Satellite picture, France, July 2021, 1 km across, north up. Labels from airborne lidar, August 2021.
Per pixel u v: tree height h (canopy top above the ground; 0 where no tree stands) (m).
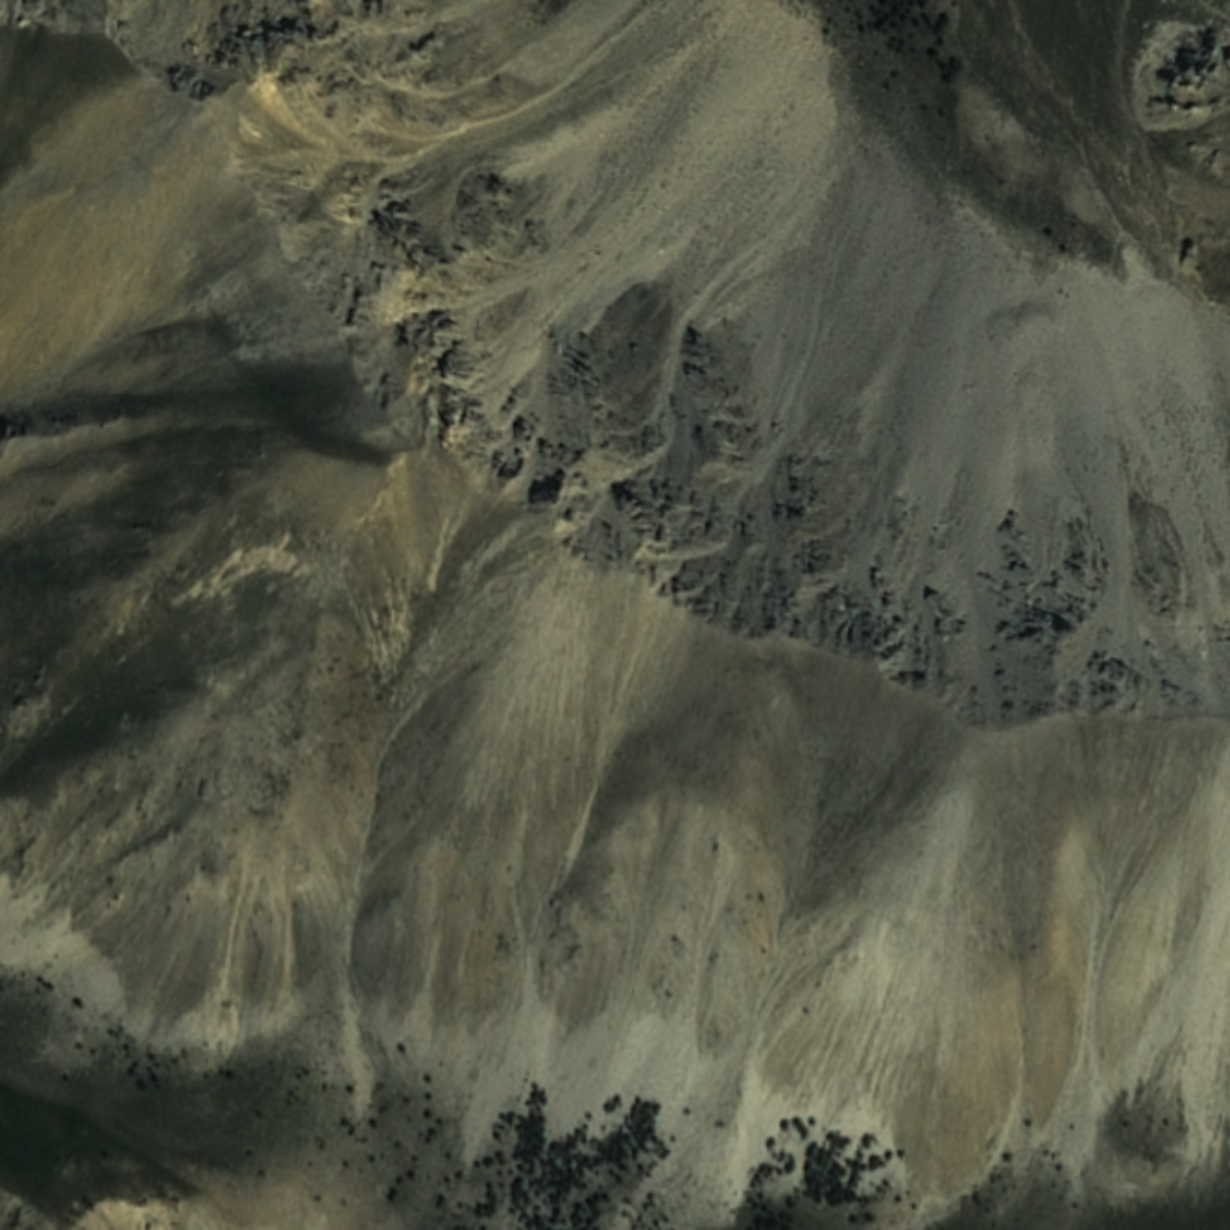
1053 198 0
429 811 0
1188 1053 0
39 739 0
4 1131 0
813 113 0
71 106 0
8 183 0
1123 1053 0
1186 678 0
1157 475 0
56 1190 0
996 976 0
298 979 0
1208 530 0
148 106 0
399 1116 0
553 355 0
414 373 0
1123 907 0
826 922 0
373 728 0
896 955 0
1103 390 0
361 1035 0
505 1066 0
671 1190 0
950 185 0
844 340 0
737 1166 0
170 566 0
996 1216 0
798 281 0
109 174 0
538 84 0
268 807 0
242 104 0
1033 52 0
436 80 0
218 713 0
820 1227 0
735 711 0
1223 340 0
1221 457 0
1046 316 0
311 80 0
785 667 0
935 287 0
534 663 0
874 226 0
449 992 0
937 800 0
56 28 0
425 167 0
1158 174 0
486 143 0
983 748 0
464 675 0
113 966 0
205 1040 0
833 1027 0
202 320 0
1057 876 0
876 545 0
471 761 0
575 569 0
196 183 0
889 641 0
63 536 0
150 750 0
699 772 0
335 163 0
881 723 0
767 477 0
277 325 0
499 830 0
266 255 0
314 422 0
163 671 0
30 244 0
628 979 0
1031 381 0
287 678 0
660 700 0
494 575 0
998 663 0
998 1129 0
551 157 0
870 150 0
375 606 0
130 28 0
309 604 0
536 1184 7
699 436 0
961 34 0
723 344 0
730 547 0
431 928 0
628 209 0
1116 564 0
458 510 0
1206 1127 0
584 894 0
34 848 0
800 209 0
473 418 0
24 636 0
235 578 0
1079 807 0
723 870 0
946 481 0
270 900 0
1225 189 0
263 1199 0
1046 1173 0
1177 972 0
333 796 0
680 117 0
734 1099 0
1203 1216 0
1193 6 0
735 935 0
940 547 0
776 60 0
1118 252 0
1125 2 0
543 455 0
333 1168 0
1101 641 0
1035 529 0
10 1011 0
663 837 0
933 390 0
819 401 0
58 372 0
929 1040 0
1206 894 0
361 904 0
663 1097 0
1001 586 0
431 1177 0
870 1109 0
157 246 0
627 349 0
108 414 0
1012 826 0
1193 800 0
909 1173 0
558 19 0
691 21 0
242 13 0
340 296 0
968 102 0
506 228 0
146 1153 0
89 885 0
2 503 0
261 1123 0
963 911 0
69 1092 0
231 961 0
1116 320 0
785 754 0
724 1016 0
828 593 0
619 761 0
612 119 0
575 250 0
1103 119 0
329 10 0
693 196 0
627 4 0
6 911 0
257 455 0
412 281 0
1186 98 0
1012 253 0
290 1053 0
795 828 0
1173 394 0
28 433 0
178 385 0
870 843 0
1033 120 0
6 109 0
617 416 0
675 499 0
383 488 0
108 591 0
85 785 0
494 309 0
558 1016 0
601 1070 0
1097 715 0
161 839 0
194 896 0
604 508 0
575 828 0
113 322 0
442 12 0
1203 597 0
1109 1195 0
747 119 0
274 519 0
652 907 0
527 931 0
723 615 0
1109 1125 0
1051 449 0
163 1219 0
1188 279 0
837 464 0
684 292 0
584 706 0
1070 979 0
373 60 0
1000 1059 0
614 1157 8
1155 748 0
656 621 0
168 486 0
